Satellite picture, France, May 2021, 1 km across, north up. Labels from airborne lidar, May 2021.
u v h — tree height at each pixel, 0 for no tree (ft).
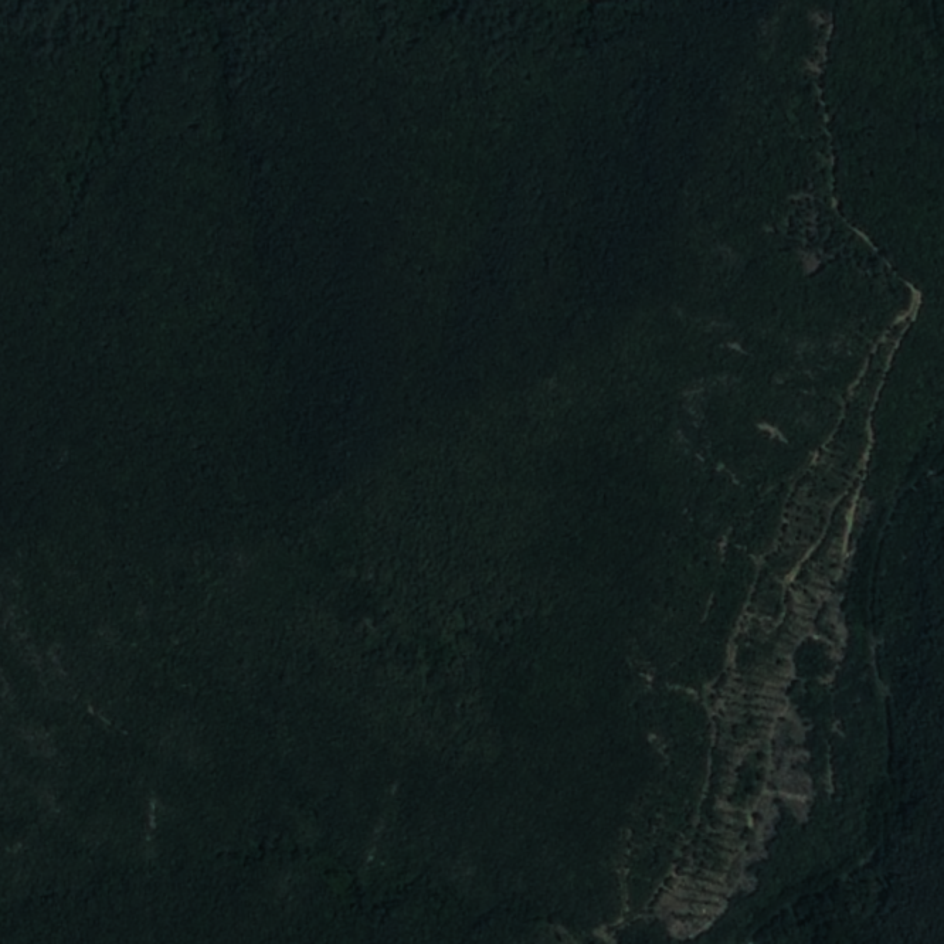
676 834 29
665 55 50
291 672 27
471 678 50
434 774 33
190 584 28
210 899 54
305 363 40
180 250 51
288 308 40
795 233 63
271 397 47
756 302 43
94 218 45
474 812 23
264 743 37
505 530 29
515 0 76
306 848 41
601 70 54
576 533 43
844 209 62
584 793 39
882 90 67
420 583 49
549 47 52
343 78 50
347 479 27
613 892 28
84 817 31
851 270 48
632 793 42
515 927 33
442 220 58
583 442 39
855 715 24
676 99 51
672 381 24
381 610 48
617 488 46
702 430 31
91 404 28
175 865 31
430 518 42
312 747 25
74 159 47
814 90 67
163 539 26
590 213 48
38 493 24
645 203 46
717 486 28
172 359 35
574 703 50
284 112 40
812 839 40
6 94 37
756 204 36
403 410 40
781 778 0
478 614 35
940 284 37
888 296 31
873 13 57
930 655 43
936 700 43
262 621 21
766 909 57
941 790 44
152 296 43
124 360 38
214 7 63
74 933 45
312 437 32
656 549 43
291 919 24
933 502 40
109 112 52
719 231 27
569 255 43
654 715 42
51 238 64
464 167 49
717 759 27
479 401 30
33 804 22
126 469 37
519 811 29
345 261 36
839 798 42
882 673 49
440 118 61
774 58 37
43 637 26
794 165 49
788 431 36
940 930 34
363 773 30
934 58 30
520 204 21
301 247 46
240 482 50
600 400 20
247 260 54
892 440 37
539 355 37
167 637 40
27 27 80
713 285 28
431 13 60
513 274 20
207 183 44
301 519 37
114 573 20
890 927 53
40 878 28
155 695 39
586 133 43
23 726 18
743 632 23
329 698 27
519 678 63
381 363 39
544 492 36
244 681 32
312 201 44
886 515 45
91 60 54
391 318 47
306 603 22
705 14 45
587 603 29
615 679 64
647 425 30
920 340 43
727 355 39
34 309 51
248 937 33
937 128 31
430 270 54
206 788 50
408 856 35
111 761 32
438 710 40
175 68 57
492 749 30
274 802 44
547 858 32
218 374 51
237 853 74
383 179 57
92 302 43
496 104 63
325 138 39
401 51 44
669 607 40
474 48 70
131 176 37
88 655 19
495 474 35
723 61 23
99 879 32
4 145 43
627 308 37
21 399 28
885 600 33
